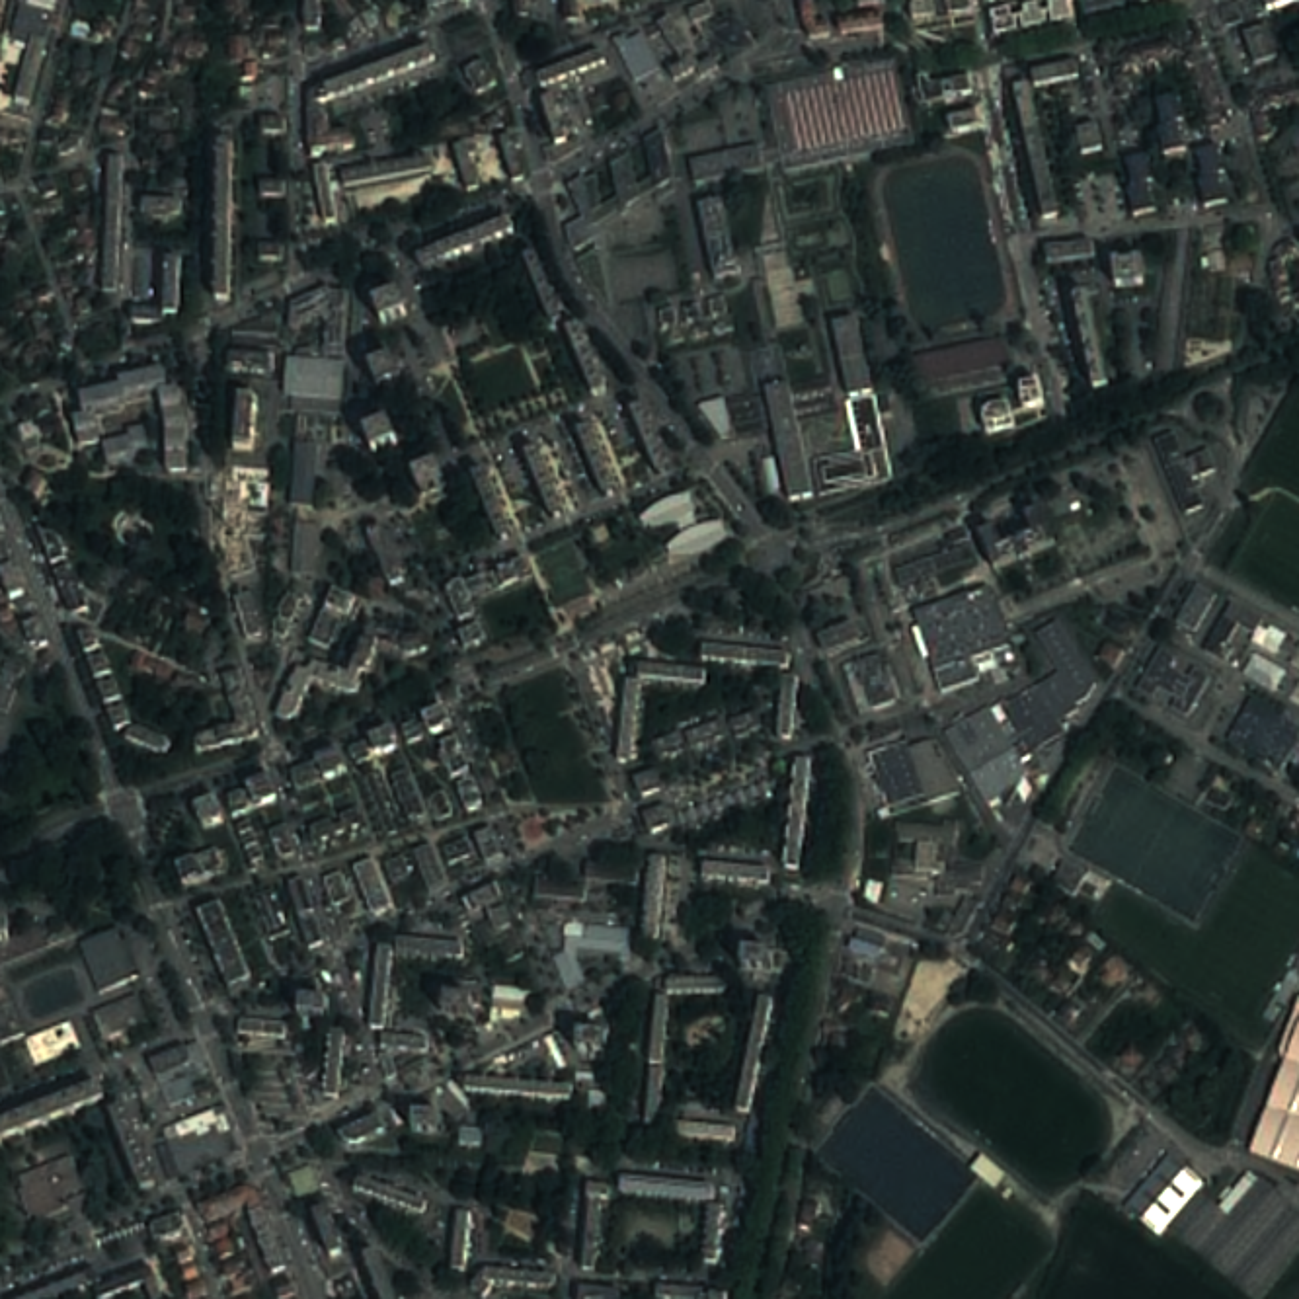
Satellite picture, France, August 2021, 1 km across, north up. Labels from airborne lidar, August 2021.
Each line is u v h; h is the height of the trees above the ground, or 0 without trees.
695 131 0
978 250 0
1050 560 9
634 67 0
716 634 0
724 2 0
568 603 0
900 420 0
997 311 0
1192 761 0
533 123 12
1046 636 0
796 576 15
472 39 0
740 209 23
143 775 16
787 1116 21
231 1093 0
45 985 0
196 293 19
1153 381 5
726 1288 21
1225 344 0
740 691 11
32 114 0
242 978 0
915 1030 0
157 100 6
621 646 0
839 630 0
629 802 0
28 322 7
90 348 14
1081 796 0
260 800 0
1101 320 0
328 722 7
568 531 6
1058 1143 0
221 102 6
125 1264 0
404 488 28
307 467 0
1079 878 0
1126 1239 0
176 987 9
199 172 14
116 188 0
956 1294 0
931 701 0
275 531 8
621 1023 20
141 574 27
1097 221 0
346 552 5
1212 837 0
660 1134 25
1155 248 16
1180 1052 0
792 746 0
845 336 0
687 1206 11
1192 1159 0
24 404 13
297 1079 0
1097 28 26
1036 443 16
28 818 7
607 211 0
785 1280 9
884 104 0
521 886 18
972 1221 0
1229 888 0
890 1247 0
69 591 0
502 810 0
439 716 0
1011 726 0
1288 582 0
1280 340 7
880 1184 0
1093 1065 0
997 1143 0
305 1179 0
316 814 0
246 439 0
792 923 25
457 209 16
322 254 16
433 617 9
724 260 0
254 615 0
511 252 8
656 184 0
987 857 0
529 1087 0
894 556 0
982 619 0
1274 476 0
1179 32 11
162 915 0
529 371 0
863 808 0
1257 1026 0
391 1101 9
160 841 11
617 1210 7
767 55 0
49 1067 11
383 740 0
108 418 0
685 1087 10
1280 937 0
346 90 0
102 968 0
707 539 0
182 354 10
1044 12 0
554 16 0
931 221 0
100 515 26
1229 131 0
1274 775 6
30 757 25
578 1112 17
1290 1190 0
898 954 0
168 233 7
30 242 12
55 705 20
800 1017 26
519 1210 17
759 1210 25
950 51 16
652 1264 19
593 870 0
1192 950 0
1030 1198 0
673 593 0
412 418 28
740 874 0
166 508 21
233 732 0
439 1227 0
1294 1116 0
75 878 24
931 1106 0
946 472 16
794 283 0
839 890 0
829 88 0
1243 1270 0
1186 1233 0
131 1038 8
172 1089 0
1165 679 0
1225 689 0
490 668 11
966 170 0
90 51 18
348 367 6
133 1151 0
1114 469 7
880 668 0
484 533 28
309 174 9
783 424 0
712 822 8
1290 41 18
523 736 11
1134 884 0
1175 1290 0
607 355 21
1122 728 7
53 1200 0
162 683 6
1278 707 5
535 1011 8
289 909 7
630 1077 23
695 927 19
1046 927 5
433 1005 0
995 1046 0
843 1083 19
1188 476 0
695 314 0
